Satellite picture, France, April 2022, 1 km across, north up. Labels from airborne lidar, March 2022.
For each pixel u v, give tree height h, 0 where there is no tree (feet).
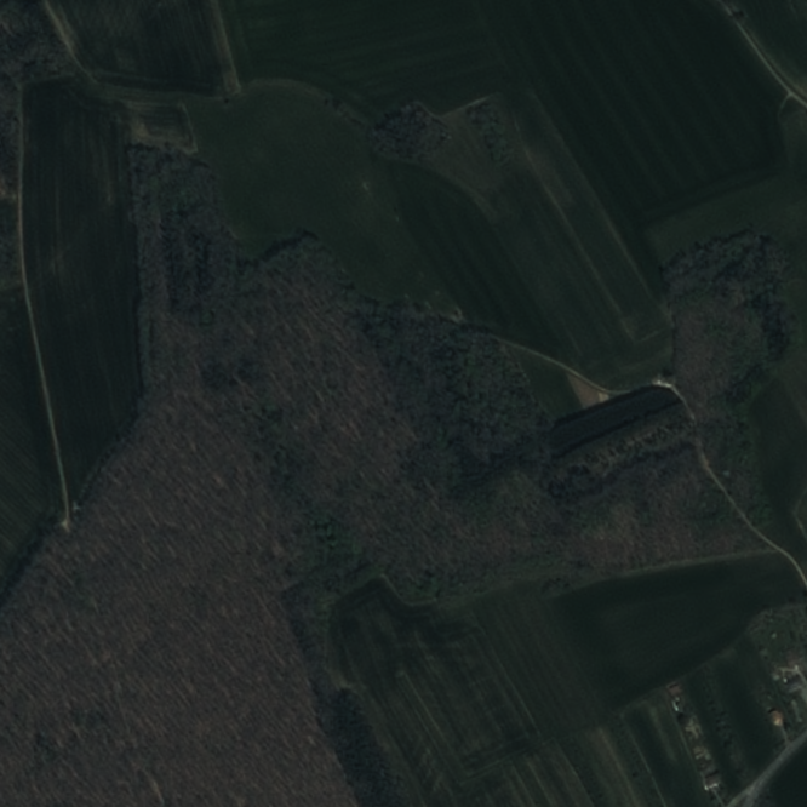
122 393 0
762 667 0
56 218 0
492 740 0
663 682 0
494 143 58
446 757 0
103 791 84
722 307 70
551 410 0
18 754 75
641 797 0
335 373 92
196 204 70
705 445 70
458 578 69
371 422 94
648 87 0
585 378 0
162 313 84
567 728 0
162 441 93
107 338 0
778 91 0
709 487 54
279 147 0
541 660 0
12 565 0
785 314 79
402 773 0
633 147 0
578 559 54
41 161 0
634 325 0
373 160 0
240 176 0
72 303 0
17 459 0
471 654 0
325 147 0
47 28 75
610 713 0
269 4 0
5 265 87
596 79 0
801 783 0
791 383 0
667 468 83
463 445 82
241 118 0
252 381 98
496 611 0
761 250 35
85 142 0
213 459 97
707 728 0
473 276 0
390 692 0
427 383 94
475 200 0
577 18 0
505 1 0
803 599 0
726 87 0
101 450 0
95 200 0
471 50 0
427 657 0
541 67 0
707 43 0
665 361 0
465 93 0
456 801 0
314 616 95
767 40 0
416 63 0
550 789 0
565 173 0
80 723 70
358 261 0
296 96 0
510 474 81
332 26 0
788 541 0
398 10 0
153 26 0
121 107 0
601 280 0
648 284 0
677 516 62
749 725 0
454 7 0
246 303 109
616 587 0
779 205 0
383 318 70
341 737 74
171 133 0
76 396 0
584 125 0
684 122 0
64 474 0
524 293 0
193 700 65
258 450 88
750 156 0
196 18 0
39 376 0
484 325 0
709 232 0
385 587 0
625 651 0
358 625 0
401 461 90
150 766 82
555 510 70
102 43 0
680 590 0
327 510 82
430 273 0
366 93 0
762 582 0
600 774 0
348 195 0
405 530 85
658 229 0
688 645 0
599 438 52
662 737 0
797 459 0
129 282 0
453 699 0
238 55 0
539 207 0
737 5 48
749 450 61
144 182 69
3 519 0
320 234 0
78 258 0
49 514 0
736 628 0
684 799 0
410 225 0
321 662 80
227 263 98
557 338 0
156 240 64
